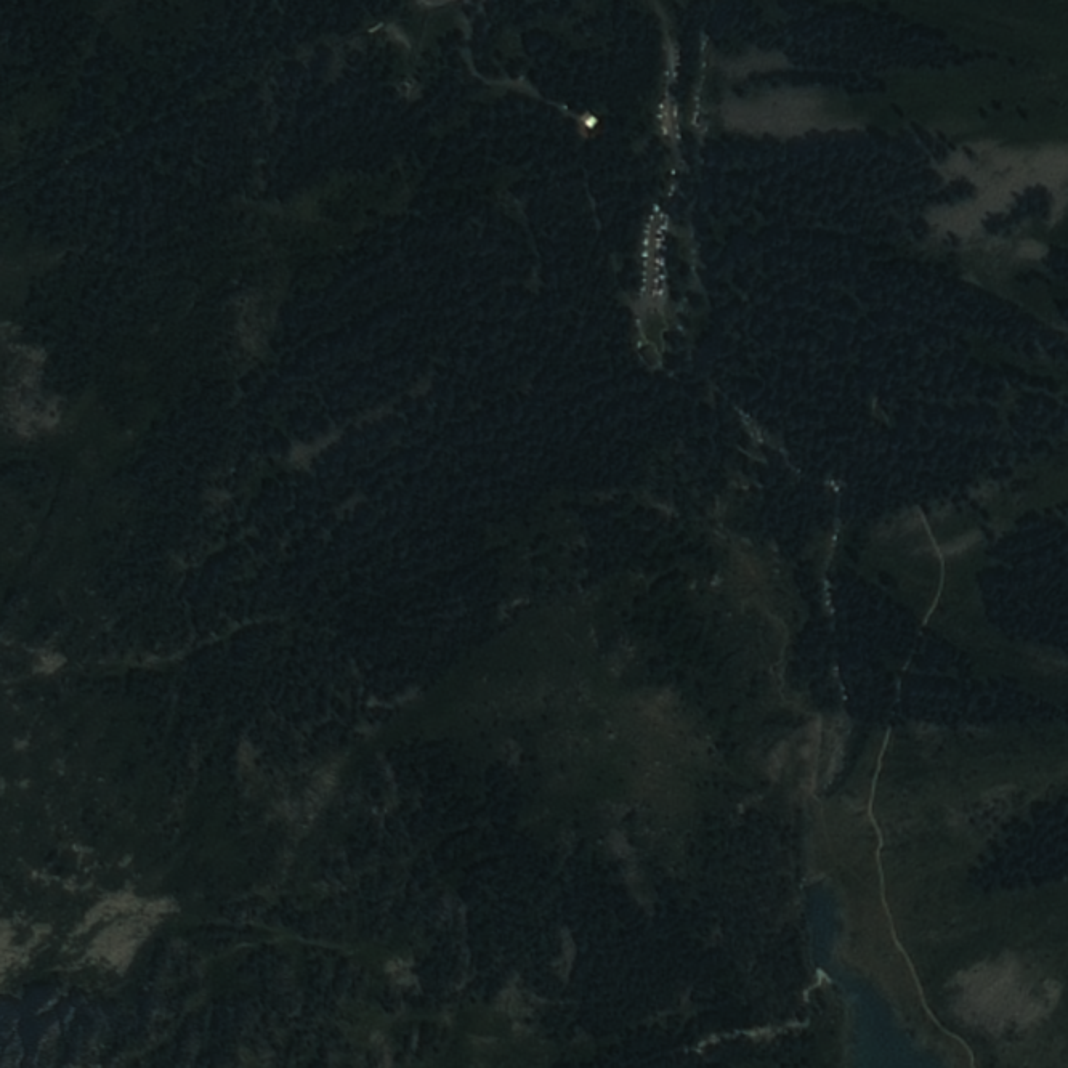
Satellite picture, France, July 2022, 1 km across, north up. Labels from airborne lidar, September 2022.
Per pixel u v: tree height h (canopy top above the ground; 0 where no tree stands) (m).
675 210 32
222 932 9
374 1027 0
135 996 0
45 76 12
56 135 12
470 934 12
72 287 8
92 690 6
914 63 15
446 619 13
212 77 13
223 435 12
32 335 8
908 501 20
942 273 14
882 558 0
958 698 20
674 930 13
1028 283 14
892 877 0
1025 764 0
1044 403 14
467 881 9
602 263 21
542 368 16
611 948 22
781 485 13
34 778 0
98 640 0
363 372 20
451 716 0
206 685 11
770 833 7
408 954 0
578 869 17
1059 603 21
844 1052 0
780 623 0
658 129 0
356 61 21
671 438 16
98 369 7
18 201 14
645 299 0
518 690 0
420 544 20
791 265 34
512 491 28
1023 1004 0
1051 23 0
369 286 24
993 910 0
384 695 20
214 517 24
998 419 34
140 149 24
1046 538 20
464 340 14
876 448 26
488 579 21
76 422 0
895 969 0
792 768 0
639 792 0
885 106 0
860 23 17
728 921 11
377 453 29
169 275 8
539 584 9
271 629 12
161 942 8
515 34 0
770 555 0
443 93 19
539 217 23
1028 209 23
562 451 23
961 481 7
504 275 25
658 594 15
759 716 0
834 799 0
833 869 0
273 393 27
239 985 0
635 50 18
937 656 21
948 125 0
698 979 11
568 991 14
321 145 23
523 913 22
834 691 18
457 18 0
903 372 29
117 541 7
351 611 17
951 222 0
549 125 19
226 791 7
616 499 8
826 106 0
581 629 0
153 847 0
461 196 19
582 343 23
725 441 22
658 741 0
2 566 0
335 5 18
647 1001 11
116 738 0
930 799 0
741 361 23
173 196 17
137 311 13
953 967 0
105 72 14
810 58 15
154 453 9
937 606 0
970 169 0
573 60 19
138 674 11
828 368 33
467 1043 0
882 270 22
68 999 0
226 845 0
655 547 10
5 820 0
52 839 0
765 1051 13
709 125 0
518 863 21
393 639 26
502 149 14
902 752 0
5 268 0
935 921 0
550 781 0
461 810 18
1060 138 0
